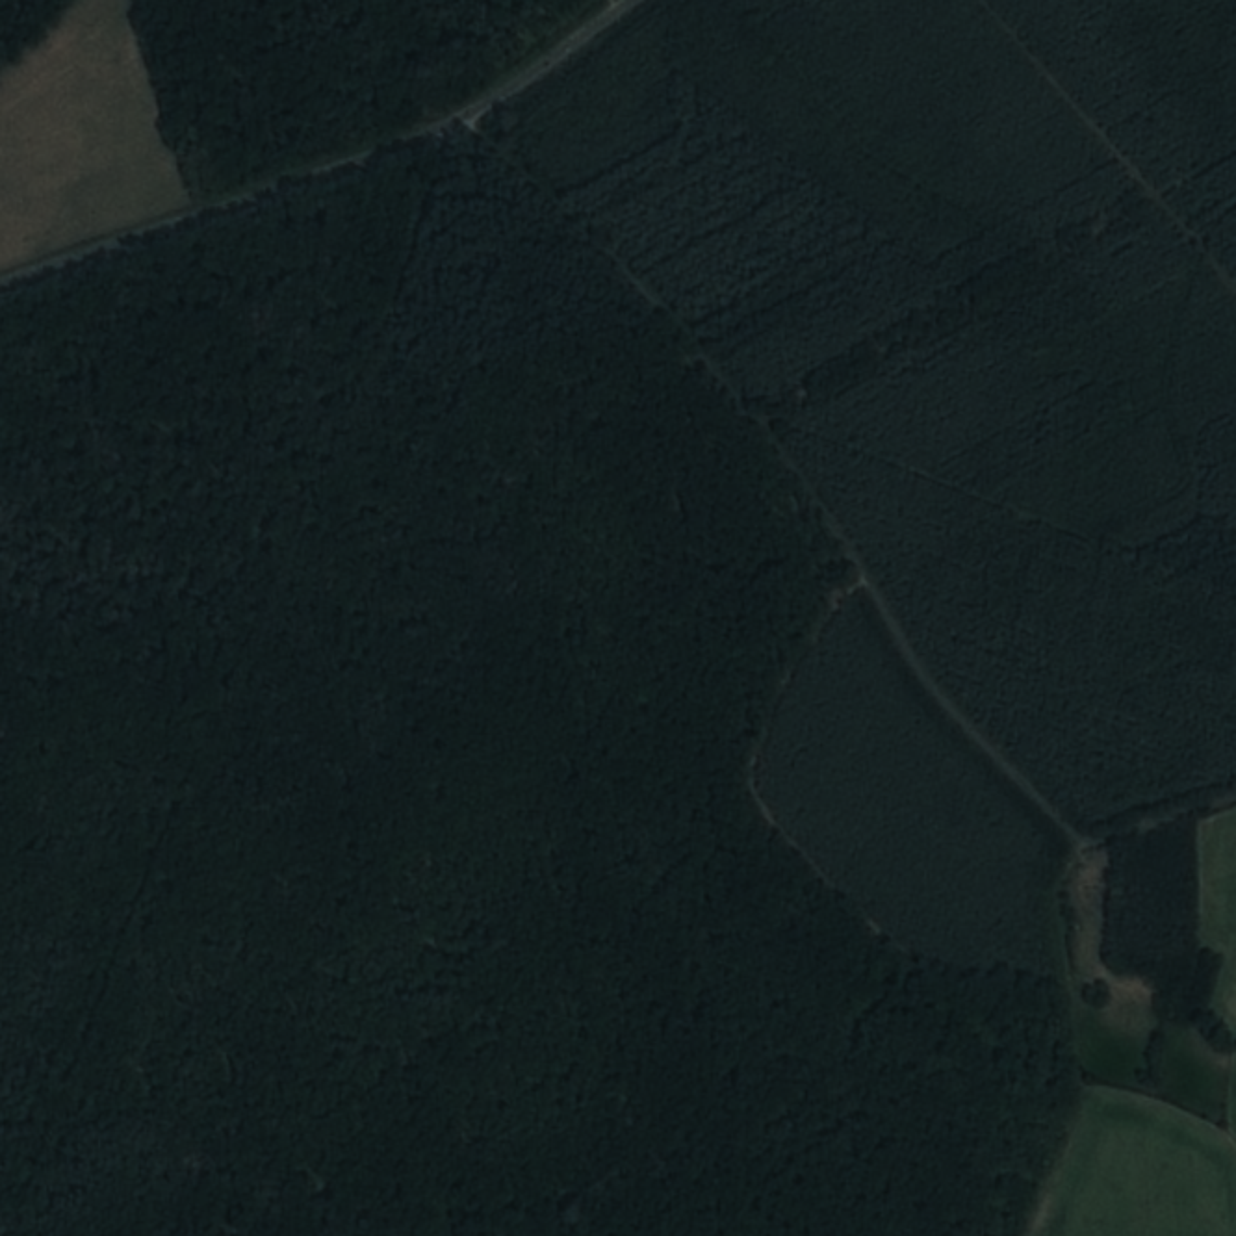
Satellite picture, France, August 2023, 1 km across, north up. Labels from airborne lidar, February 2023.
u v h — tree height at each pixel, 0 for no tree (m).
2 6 26
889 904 9
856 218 11
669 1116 21
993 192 9
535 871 23
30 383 23
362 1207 21
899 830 8
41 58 0
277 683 22
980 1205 23
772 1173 19
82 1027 21
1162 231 12
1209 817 10
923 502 12
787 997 23
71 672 26
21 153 0
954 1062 24
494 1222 22
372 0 25
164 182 0
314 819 24
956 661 11
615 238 18
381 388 21
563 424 22
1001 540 9
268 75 24
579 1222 27
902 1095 23
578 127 7
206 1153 19
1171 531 8
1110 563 11
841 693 9
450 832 23
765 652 22
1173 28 12
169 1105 19
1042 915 8
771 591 21
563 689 19
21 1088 21
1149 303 8
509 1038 19
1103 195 11
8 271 0
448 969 19
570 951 24
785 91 6
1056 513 8
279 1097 22
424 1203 22
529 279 23
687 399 24
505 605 22
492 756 23
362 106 24
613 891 23
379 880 21
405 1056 19
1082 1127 0
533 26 21
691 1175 22
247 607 26
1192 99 11
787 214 16
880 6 8
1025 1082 22
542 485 25
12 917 21
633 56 7
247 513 23
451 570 25
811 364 12
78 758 23
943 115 11
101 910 24
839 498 12
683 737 22
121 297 24
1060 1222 0
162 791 21
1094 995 8
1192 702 12
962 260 11
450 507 24
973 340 7
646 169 15
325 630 23
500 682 24
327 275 22
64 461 23
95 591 20
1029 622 13
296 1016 19
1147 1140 0
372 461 25
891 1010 17
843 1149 22
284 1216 19
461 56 25
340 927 21
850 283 10
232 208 0
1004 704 6
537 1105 16
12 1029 19
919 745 9
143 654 23
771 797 9
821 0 7
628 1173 21
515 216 24
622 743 25
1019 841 7
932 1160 22
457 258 25
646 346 24
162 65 22
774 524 23
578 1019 19
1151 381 7
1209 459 10
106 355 20
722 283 17
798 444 11
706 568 20
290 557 22
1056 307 10
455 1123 16
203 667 23
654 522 23
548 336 24
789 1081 23
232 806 22
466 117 0
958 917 8
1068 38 12
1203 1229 0
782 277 16
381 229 24
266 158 20
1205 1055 0
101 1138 21
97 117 0
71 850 22
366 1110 20
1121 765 13
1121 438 7
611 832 22
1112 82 11
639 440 22
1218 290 7
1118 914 16
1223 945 0
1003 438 12
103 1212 24
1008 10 12
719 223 19
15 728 25
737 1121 23
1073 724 12
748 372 11
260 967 19
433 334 24
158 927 22
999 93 9
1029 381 11
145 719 26
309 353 22
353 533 26
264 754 23
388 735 21
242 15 25
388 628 20
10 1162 25
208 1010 20
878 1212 23
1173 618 7
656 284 15
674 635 22
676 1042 20
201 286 27
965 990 25
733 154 17
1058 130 9
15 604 17
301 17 21
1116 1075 0
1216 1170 0
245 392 25
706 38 8
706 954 20
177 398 25
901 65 8
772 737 8
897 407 14
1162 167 12
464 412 24
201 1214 23
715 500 23
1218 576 17
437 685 25
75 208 0
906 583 9
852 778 8
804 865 21
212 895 21
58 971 21
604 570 23
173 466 24
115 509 22
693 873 27
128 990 22
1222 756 11
